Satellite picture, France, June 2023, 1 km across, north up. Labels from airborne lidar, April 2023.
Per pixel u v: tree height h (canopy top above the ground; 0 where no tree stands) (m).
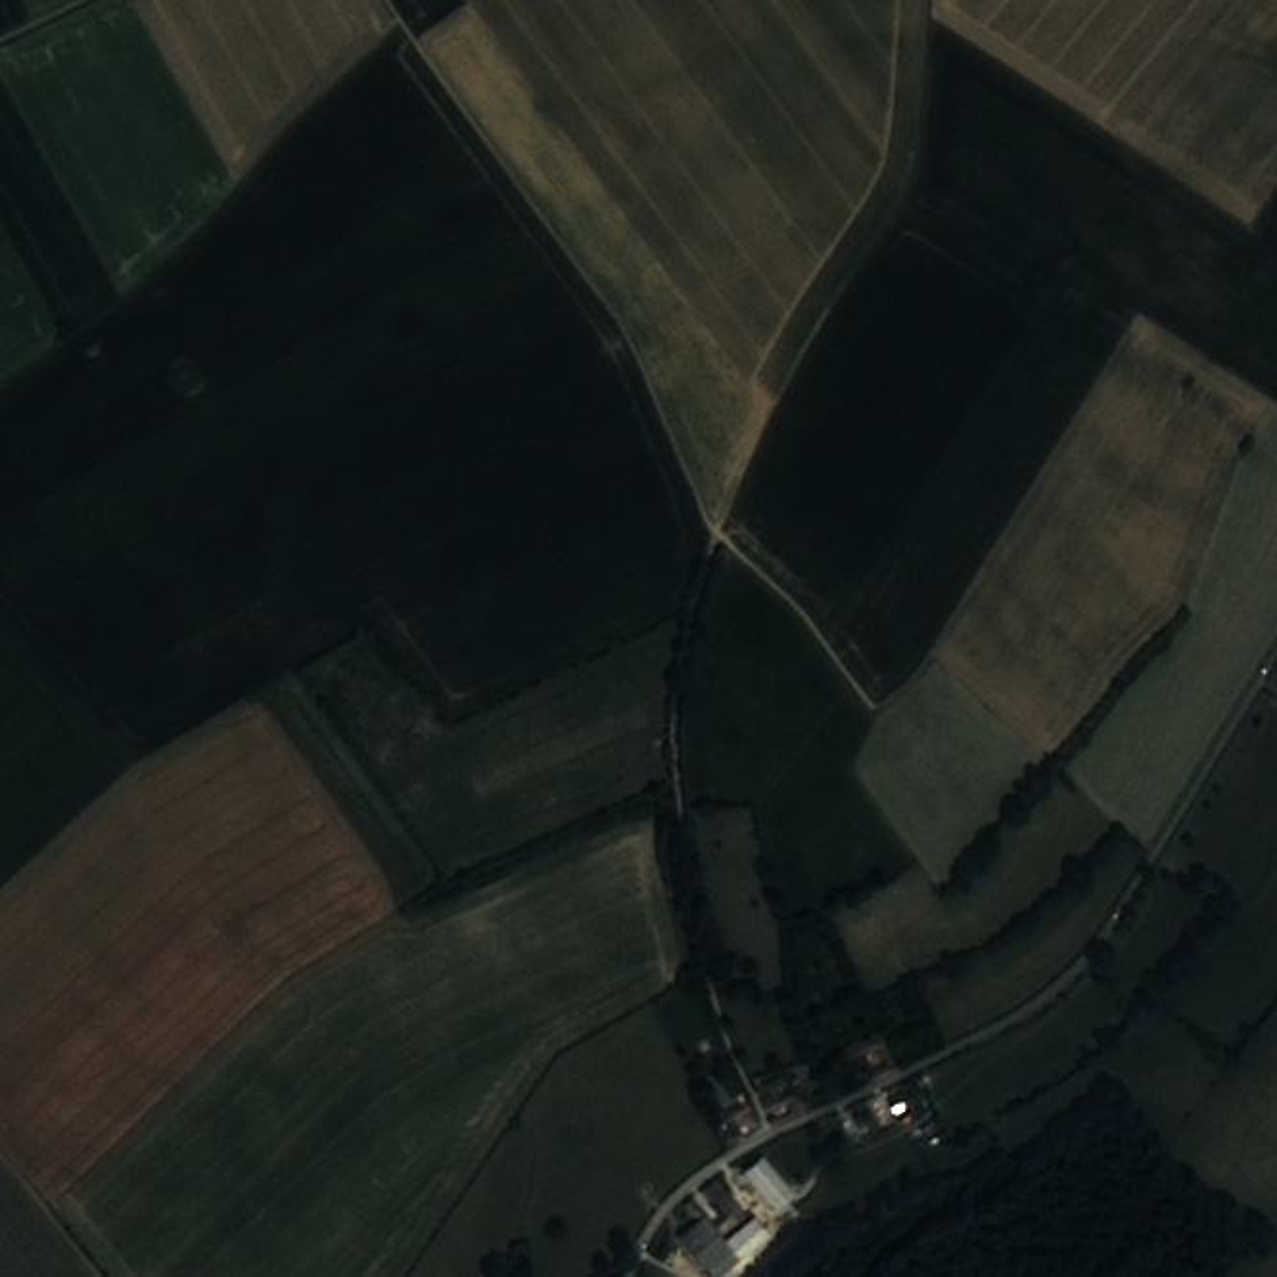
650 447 0
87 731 0
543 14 0
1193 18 0
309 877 0
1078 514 0
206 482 0
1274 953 0
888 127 0
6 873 0
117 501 0
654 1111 0
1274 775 0
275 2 0
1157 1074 0
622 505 0
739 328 0
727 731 0
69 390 0
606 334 0
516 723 0
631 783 0
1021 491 0
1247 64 0
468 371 0
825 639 0
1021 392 0
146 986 0
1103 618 0
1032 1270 23
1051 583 0
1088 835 0
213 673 0
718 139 0
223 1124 0
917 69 0
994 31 0
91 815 0
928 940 0
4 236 0
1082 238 0
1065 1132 23
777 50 0
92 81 0
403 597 0
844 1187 0
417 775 0
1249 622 0
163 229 0
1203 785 0
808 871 0
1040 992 0
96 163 0
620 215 0
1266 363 0
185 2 0
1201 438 0
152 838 0
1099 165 0
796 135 0
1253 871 0
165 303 0
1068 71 0
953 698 0
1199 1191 20
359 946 0
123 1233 0
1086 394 0
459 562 0
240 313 0
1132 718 0
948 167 0
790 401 0
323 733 0
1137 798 0
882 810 0
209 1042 0
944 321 0
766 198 0
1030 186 0
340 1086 0
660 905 0
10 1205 0
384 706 0
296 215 0
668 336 0
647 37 0
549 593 0
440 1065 0
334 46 0
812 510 0
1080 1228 24
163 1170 0
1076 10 0
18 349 0
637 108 0
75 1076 0
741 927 0
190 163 0
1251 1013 0
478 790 0
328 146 0
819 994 0
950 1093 0
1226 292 0
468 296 0
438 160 0
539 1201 0
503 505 0
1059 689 0
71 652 0
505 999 0
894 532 0
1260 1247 13
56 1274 0
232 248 0
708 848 0
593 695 0
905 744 0
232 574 0
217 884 0
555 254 0
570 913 0
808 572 0
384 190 0
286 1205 0
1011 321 0
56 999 0
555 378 0
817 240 0
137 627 0
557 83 0
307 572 0
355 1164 0
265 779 0
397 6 0
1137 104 0
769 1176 0
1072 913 0
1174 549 0
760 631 0
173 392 0
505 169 0
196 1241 0
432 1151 0
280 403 0
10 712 0
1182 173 0
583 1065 0
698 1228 0
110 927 0
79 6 0
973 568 0
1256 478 0
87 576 0
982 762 0
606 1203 0
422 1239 0
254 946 0
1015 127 0
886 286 0
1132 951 0
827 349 0
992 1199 24
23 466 0
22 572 0
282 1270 0
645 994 0
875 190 0
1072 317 0
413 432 0
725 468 0
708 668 0
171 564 0
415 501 0
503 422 0
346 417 0
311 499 0
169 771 0
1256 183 0
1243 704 0
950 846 0
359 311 0
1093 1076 0
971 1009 0
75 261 0
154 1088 0
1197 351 0
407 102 0
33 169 0
